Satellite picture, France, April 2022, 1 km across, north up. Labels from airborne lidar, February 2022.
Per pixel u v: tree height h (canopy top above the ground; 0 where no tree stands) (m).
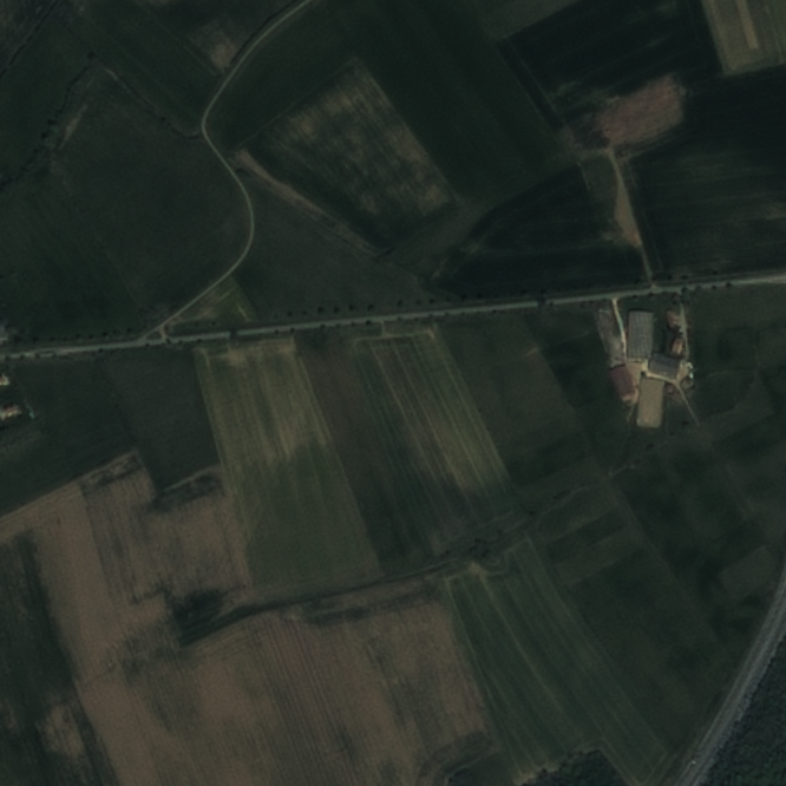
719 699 0
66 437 0
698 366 0
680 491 0
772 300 0
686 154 0
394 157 0
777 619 0
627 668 0
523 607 0
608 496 0
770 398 0
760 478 0
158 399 0
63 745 0
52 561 0
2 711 0
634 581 0
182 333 0
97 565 0
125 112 0
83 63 0
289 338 0
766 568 0
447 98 0
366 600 0
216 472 0
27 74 0
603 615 0
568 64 0
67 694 0
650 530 0
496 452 0
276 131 0
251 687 0
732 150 0
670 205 0
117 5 0
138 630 0
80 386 0
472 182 0
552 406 0
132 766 0
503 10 0
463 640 0
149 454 0
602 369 0
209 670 0
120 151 0
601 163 0
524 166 0
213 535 0
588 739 0
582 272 0
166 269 0
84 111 0
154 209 0
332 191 0
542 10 0
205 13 0
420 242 0
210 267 0
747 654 0
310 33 0
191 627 0
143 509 0
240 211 0
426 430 0
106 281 0
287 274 0
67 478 0
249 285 0
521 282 0
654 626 0
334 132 0
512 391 0
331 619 0
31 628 0
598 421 0
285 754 0
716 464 0
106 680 0
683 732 0
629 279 0
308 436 0
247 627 0
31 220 0
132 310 0
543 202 0
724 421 0
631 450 0
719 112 0
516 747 0
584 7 0
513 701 0
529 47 0
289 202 0
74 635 0
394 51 0
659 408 0
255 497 0
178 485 0
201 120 0
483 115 0
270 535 0
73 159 0
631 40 0
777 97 0
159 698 0
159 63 0
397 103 0
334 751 0
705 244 0
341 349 0
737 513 0
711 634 0
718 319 0
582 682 0
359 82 0
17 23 0
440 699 0
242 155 0
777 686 9
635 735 0
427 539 0
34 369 0
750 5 0
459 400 0
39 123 0
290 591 0
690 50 0
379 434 0
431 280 0
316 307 0
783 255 0
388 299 0
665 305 0
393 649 0
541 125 0
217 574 0
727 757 9
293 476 0
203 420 0
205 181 0
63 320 0
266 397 0
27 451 0
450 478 0
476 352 0
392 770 0
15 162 0
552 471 0
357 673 0
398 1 0
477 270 0
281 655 0
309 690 0
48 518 0
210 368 0
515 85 0
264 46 0
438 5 0
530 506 0
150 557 0
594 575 0
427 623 0
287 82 0
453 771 0
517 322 0
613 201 0
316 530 0
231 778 0
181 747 0
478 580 0
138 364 0
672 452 0
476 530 0
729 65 0
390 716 0
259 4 0
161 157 0
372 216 0
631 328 0
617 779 12
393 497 0
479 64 0
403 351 0
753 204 0
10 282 0
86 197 0
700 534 0
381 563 0
